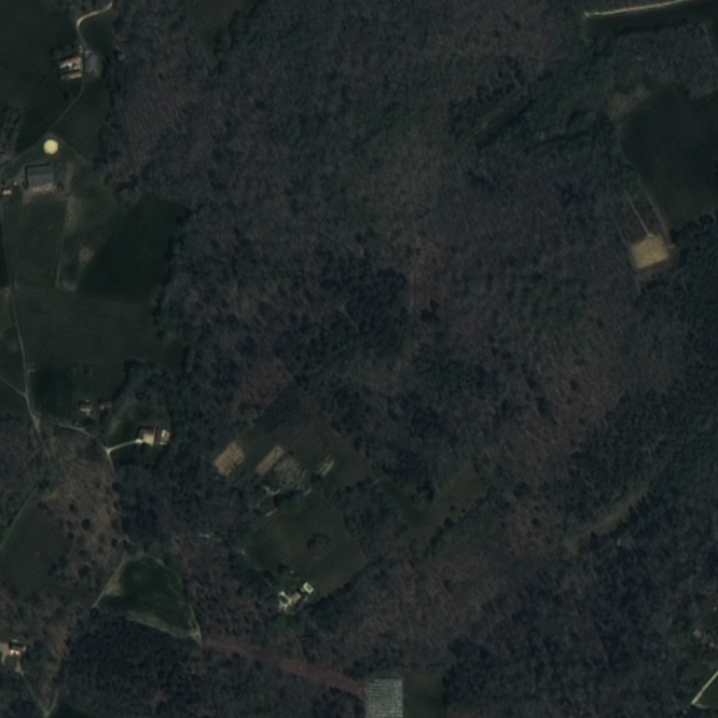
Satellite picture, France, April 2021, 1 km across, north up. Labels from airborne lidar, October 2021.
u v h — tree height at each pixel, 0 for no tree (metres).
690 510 13
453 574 9
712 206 0
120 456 0
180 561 14
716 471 20
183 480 25
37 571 0
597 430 11
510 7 13
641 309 22
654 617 23
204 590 17
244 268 20
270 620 10
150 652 13
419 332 15
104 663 13
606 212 12
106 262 0
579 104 14
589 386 11
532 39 13
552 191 15
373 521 26
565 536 17
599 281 11
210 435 11
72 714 0
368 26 14
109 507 17
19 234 0
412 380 15
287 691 15
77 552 0
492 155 17
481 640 18
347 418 15
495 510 19
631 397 13
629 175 20
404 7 20
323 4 24
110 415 16
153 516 15
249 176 16
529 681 10
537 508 6
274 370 14
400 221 13
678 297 20
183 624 0
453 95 20
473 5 17
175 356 0
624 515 0
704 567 9
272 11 25
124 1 22
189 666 6
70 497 0
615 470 12
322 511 0
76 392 0
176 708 7
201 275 17
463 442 22
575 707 7
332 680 0
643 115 0
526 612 16
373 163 18
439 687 0
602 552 28
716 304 23
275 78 21
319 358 16
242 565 16
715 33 0
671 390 13
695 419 23
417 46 15
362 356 16
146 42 18
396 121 20
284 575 15
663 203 0
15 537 0
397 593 17
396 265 10
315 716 10
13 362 0
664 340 21
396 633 20
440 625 16
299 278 13
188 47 18
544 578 12
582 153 25
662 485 20
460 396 8
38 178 0
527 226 14
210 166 13
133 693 9
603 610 14
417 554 19
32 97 0
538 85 15
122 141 13
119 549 19
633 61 16
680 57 15
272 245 20
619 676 24
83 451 17
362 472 0
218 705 10
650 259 0
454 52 13
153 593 0
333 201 21
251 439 0
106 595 0
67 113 0
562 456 15
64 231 0
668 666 14
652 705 27
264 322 20
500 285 10
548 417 25
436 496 13
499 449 20
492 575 14
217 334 18
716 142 0
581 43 17
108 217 0
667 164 0
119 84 13
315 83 24
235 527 14
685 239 17
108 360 0
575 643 12
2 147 8
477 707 19
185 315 17
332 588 0
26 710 21
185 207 15
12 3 0
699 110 0
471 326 7
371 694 0
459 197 20
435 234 14
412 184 13
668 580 11
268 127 20
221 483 11
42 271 0
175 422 16
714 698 0
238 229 13
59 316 0
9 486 15
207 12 0
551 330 18
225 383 25
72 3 17
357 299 26
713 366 26
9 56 0
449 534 19
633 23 0
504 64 12
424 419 21
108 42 0
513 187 13
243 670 18
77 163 0
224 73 19
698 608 18
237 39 19
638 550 10
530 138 26
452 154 20
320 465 0
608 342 15
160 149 17
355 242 12
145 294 0
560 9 22
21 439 23
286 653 11
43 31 0
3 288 0
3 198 11
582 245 10
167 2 20
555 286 11
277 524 0
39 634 20
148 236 0
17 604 24
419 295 7
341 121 14
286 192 15
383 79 16
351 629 12
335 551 0
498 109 19
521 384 10
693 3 0
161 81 15
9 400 0
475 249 8
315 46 25
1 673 19
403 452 13
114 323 0
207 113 17
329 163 18
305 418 0
